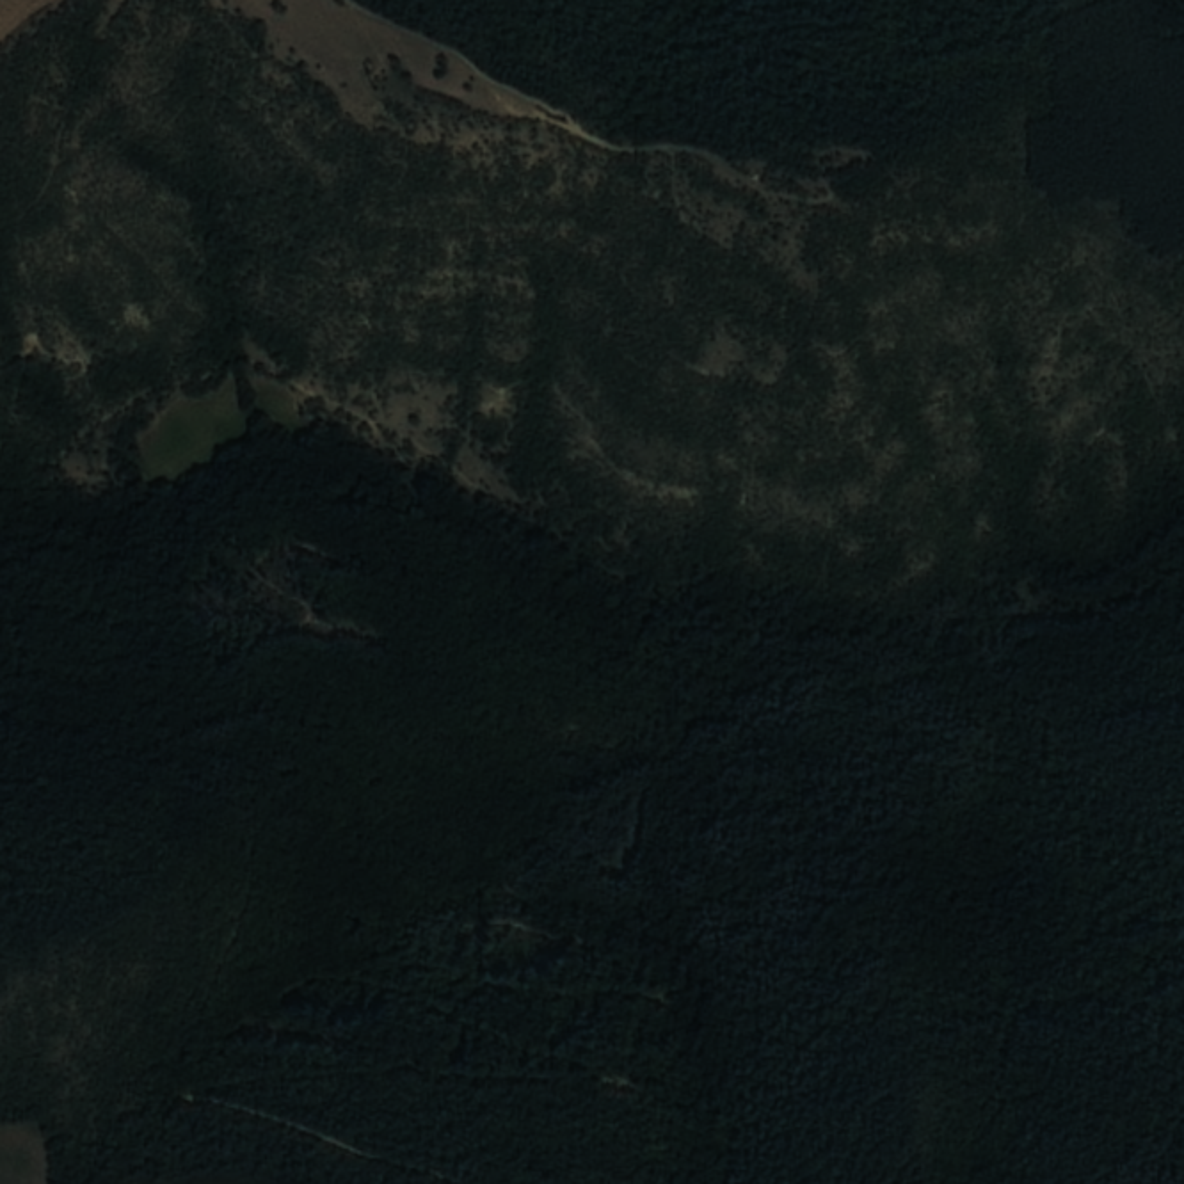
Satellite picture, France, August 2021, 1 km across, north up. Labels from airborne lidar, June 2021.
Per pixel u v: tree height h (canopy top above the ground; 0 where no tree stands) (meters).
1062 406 6
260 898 9
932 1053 9
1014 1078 16
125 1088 7
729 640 14
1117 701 11
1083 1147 5
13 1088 5
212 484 21
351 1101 8
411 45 0
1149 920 10
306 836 17
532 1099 11
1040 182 9
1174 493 16
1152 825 8
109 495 11
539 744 13
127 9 10
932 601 8
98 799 16
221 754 11
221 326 13
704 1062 18
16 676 18
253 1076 8
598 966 16
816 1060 8
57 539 21
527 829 20
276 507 18
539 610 18
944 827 13
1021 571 13
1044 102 7
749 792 16
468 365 6
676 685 16
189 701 17
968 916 20
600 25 7
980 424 8
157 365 11
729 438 6
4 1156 0
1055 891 17
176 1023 7
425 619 18
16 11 0
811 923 15
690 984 20
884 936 13
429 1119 8
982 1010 14
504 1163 9
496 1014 11
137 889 8
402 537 19
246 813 10
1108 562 15
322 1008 14
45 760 22
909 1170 6
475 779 18
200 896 7
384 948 12
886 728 6
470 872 17
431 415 0
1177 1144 7
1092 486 9
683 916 16
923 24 9
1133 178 12
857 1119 9
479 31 6
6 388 7
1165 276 6
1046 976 13
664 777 19
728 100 7
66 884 7
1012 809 12
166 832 11
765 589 10
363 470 20
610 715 7
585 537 12
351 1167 6
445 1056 13
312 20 0
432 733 12
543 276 8
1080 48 11
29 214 5
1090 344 6
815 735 10
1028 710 14
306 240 7
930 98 6
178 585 18
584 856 14
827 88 8
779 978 14
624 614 22
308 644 13
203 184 10
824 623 14
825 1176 10
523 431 10
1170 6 14
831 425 6
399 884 22
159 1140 7
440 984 8
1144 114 16
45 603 19
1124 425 7
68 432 7
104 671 14
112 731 16
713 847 15
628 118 8
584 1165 6
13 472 9
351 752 16
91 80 9
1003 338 6
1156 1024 13
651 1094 11
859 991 14
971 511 7
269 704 12
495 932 15
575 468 7
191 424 0
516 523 20
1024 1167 9
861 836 18
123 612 15
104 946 6
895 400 6
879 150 6
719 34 8
